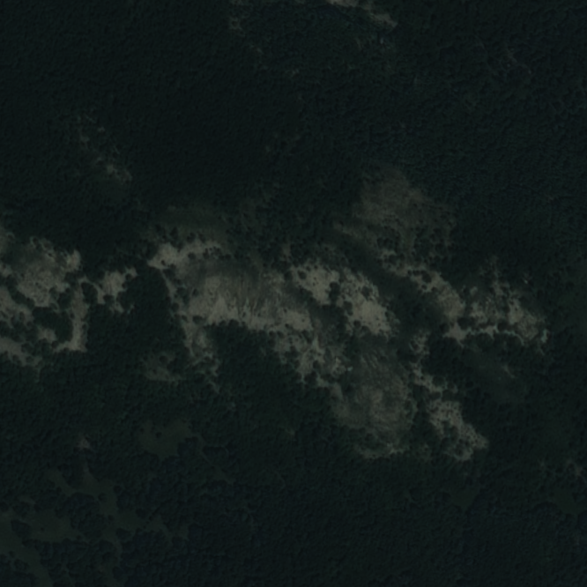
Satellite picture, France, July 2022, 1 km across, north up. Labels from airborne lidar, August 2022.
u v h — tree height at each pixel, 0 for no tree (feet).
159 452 0
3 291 0
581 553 69
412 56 74
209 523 85
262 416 41
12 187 68
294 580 69
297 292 0
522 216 41
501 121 61
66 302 31
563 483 46
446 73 80
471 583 74
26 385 37
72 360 55
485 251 41
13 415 72
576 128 77
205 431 54
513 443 85
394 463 52
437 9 81
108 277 0
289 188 49
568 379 52
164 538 81
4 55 69
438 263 47
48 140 56
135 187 50
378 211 0
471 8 78
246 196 56
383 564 76
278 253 31
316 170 55
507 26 79
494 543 83
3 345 0
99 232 74
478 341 39
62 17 55
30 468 64
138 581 81
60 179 59
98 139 44
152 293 63
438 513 63
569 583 77
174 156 68
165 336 35
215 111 71
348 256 35
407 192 0
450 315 0
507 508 56
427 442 21
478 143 73
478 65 76
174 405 60
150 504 86
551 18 95
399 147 33
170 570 104
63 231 70
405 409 25
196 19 66
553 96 84
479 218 78
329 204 51
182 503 85
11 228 55
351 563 59
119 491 55
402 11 71
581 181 56
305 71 48
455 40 74
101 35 62
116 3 50
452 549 74
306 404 62
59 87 57
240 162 78
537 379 67
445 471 70
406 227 0
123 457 69
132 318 55
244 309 0
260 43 53
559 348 58
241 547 90
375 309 0
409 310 26
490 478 85
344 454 63
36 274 0
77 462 74
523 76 74
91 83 55
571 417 23
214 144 82
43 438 85
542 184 59
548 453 36
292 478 68
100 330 77
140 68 55
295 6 73
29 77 71
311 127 59
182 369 28
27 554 0
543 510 69
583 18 94
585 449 32
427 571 63
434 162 67
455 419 0
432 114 75
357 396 0
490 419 79
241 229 64
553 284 61
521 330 0
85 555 78
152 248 56
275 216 74
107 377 68
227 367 42
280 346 0
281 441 60
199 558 93
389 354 0
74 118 27
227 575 79
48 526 0
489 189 65
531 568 91
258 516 88
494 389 0
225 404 33
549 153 66
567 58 81
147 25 62
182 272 0
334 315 20
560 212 45
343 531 83
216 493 72
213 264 0
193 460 66
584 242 66
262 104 62
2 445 56
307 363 0
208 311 0
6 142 69
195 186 70
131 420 56
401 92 113
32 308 27
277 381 56
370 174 36
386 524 84
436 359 72
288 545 79
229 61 33
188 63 60
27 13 56
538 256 79
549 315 39
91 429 63
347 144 72
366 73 81
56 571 70
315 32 78
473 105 59
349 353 28
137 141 78
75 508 73
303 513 83
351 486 64
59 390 61
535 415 68
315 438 79
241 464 64
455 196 62
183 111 82
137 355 42
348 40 72
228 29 36
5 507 45
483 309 0
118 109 82
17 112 67
